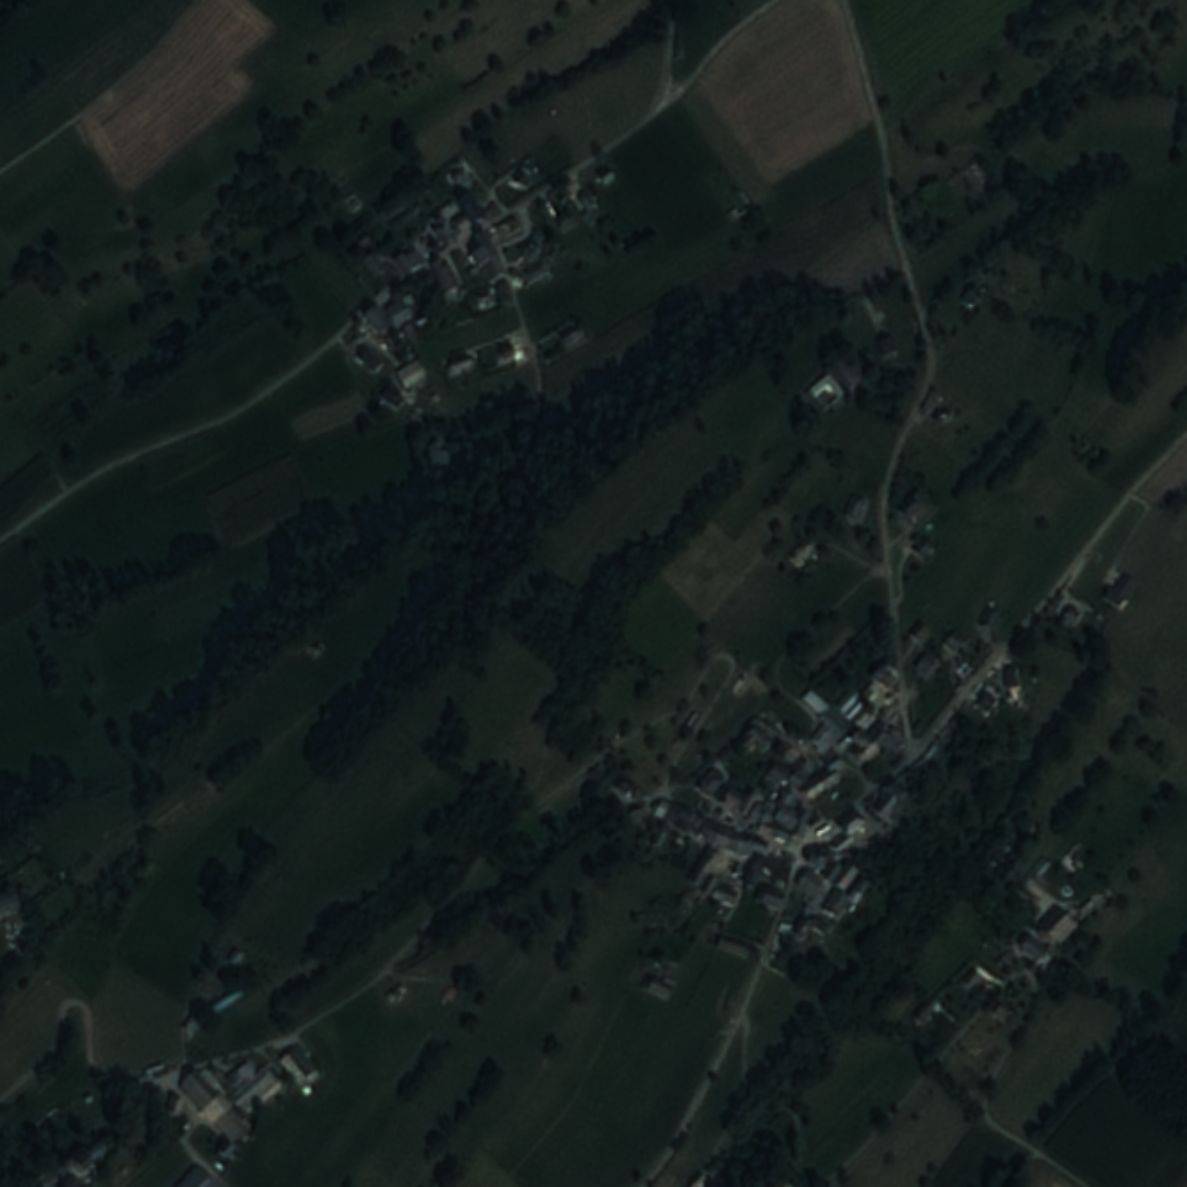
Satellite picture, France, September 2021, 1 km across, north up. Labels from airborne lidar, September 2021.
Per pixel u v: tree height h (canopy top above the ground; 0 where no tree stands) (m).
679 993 0
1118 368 12
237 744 0
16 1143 20
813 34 0
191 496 0
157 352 11
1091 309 0
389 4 0
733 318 23
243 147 0
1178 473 0
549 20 0
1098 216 0
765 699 0
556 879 0
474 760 0
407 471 0
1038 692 0
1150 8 16
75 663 0
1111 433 0
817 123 0
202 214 0
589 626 23
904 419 10
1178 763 0
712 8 0
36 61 0
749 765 0
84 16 0
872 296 13
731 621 0
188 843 0
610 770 6
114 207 0
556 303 0
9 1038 0
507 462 21
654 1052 0
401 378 0
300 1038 0
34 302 0
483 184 0
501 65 13
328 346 0
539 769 0
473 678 13
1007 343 0
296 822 0
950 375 0
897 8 0
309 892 0
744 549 0
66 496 0
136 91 0
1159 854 0
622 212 0
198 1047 0
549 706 12
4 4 20
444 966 0
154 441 0
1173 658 0
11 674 0
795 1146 16
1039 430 17
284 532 0
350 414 0
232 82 0
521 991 0
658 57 0
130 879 12
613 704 0
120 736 8
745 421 0
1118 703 0
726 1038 0
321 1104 0
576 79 8
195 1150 0
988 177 12
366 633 0
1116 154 0
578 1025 0
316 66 10
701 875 0
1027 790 23
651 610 0
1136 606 0
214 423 0
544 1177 0
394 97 8
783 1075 21
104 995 0
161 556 0
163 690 0
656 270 0
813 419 16
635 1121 0
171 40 0
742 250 15
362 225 7
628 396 24
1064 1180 0
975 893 14
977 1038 0
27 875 0
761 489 0
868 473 0
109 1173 9
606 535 0
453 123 0
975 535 0
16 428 0
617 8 0
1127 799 0
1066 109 19
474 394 0
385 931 18
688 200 0
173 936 0
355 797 0
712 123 0
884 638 24
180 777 0
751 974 0
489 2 0
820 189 0
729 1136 15
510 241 0
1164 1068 24
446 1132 20
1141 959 0
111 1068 0
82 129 0
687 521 10
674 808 0
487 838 15
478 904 11
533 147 0
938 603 0
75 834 0
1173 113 0
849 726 7
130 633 0
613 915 0
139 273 15
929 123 0
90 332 0
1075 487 0
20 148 0
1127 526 0
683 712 9
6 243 0
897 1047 0
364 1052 0
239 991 17
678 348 25
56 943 19
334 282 0
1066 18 0
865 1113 0
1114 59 18
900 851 18
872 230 0
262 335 0
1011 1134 0
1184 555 0
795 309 20
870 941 18
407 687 20
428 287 7
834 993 15
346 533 23
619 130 0
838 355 17
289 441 0
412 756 0
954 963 0
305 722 0
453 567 26
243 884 9
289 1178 0
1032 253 19
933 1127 0
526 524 18
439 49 13
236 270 7
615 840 17
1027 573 0
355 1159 0
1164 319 24
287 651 16
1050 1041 0
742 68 0
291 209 15
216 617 0
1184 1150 15
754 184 0
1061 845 0
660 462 0
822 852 0
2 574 0
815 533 8
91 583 17
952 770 10
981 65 0
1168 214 0
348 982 0
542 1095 0
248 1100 0
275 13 0
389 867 0
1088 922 7
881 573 0
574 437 9
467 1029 14
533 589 0
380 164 0
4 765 0
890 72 0
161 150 0
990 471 8
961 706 0
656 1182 8
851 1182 18
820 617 8
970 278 9
